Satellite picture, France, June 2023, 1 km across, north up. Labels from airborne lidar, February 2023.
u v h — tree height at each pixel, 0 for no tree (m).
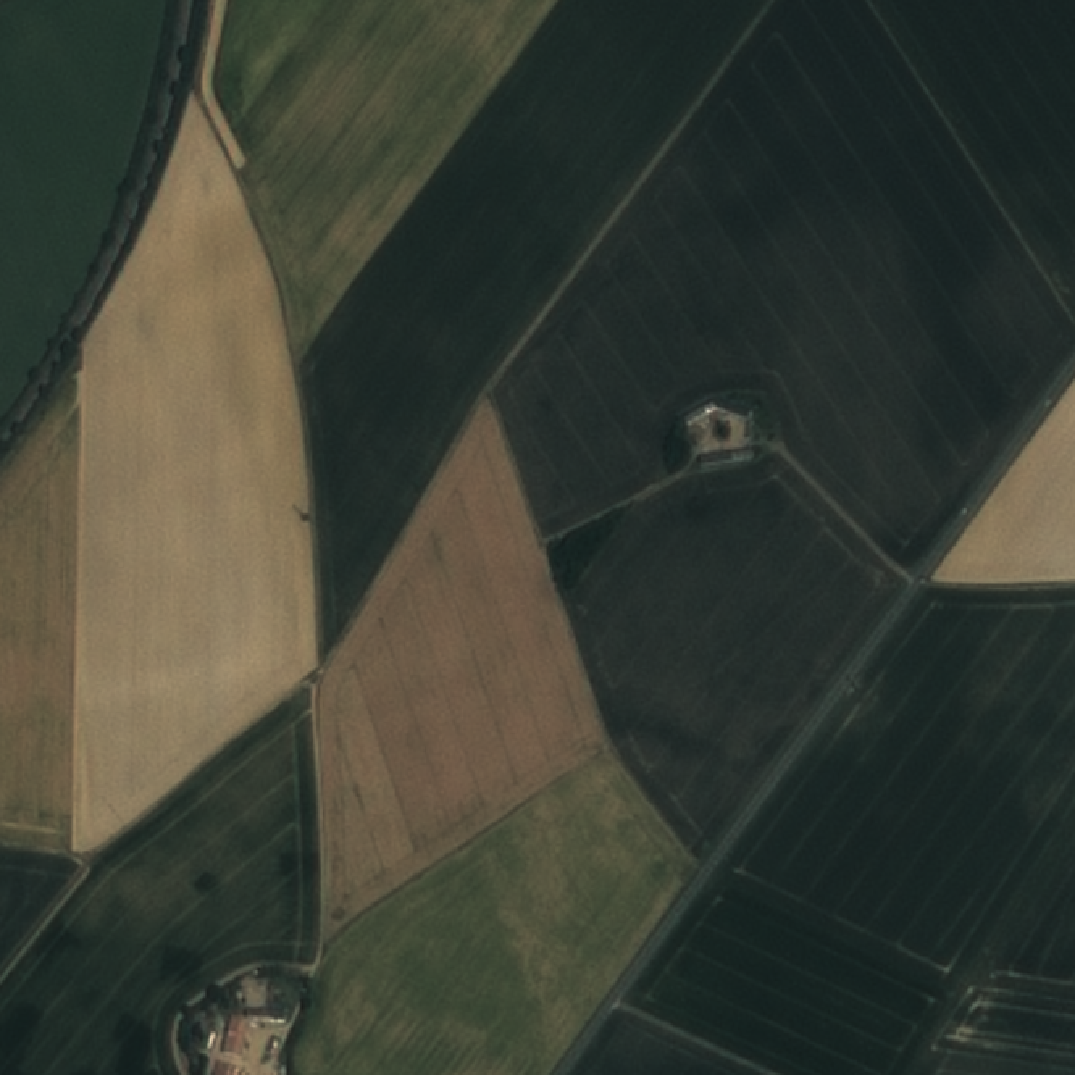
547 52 0
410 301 0
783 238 0
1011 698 0
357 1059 0
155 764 0
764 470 0
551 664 0
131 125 0
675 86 0
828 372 0
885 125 0
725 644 0
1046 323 0
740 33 0
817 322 0
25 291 0
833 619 0
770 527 0
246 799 0
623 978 0
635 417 0
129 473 0
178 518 0
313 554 0
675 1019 0
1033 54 0
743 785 0
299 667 0
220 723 0
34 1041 0
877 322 0
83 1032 0
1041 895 0
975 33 0
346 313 0
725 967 0
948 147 0
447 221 0
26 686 0
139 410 0
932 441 0
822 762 0
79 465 0
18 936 0
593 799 0
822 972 0
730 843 0
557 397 0
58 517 0
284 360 0
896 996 0
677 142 0
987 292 0
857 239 0
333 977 0
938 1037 0
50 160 0
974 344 0
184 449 0
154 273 0
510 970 0
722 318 0
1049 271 0
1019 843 0
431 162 0
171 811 0
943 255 0
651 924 0
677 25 0
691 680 0
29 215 0
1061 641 0
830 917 0
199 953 0
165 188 0
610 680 0
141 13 0
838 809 0
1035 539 0
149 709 0
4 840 0
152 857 0
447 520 0
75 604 0
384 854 0
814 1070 0
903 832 0
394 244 0
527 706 0
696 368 0
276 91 0
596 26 0
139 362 0
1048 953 0
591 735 0
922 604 0
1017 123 0
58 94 0
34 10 0
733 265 0
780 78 0
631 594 0
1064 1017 0
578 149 0
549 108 0
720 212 0
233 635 0
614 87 0
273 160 0
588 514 0
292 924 0
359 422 0
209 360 0
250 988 0
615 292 0
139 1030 0
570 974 0
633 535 0
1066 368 0
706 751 0
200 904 0
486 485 0
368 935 0
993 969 0
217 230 0
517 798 0
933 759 0
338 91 0
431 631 0
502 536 0
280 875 0
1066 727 0
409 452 0
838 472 0
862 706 0
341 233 0
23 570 0
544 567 0
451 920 0
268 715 0
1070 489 0
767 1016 0
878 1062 0
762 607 0
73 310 6
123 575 0
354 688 0
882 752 0
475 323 0
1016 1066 0
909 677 0
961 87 0
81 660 0
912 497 0
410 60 0
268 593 0
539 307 0
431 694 0
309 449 0
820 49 0
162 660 0
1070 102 0
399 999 0
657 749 0
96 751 0
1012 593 0
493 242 0
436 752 0
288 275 0
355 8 0
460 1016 0
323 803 0
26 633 0
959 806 0
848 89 0
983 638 0
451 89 0
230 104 0
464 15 0
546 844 0
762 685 0
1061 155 0
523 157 0
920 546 0
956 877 0
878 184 0
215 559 0
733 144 0
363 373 0
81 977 0
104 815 0
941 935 0
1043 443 0
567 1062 0
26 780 0
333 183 0
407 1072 0
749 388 0
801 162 0
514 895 0
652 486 0
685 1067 0
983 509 0
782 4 0
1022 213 0
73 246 0
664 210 0
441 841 0
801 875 0
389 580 0
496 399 0
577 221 0
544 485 0
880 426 0
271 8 0
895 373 0
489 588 0
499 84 0
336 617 0
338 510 0
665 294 0
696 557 0
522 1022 0
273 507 0
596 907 0
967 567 0
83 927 0
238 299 0
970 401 0
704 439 0
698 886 0
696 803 0
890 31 0
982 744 0
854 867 0
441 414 0
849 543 0
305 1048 0
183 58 12
